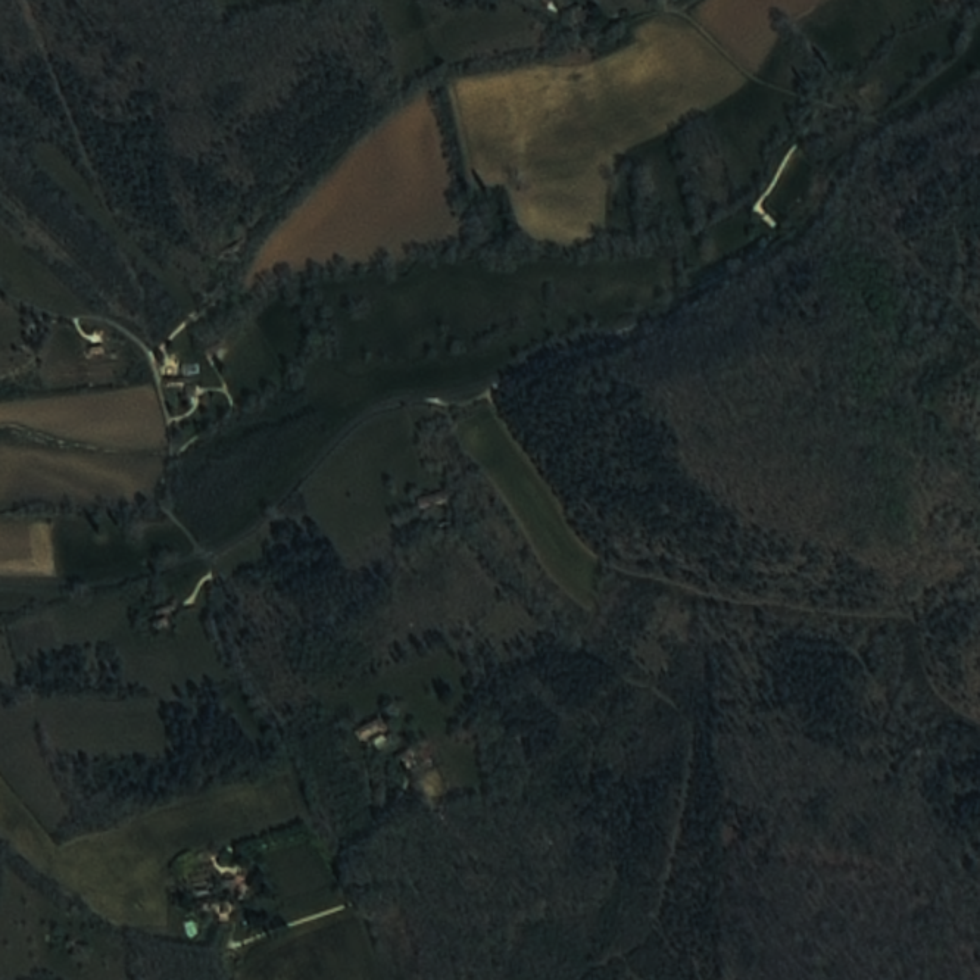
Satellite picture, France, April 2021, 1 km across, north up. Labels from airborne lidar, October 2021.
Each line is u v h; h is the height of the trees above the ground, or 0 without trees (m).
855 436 19
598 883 21
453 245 12
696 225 19
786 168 0
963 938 16
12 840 0
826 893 10
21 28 19
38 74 12
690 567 13
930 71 20
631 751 17
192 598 0
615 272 0
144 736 0
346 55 15
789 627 9
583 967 9
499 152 0
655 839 20
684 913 8
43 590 0
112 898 0
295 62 15
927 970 12
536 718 28
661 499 17
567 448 13
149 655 0
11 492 0
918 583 15
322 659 9
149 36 20
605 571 13
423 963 22
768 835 14
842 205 17
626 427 10
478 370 0
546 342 8
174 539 0
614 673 7
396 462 0
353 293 0
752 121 0
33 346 11
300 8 17
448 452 8
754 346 13
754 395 17
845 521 15
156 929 0
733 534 12
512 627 0
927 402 12
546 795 11
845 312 18
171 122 13
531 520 0
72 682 6
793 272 11
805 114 15
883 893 12
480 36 0
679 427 11
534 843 21
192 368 0
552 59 15
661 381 13
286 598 21
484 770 13
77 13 19
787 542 8
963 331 12
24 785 0
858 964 18
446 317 0
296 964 0
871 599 8
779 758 15
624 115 0
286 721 9
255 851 10
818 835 17
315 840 6
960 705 13
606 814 22
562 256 14
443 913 20
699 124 21
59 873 0
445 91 7
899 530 16
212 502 19
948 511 12
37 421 0
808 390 14
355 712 0
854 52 0
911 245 12
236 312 24
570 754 8
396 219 0
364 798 12
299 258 0
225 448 11
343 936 0
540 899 19
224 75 18
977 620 16
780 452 15
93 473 0
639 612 7
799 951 18
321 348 18
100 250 14
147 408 0
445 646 21
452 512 10
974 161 11
